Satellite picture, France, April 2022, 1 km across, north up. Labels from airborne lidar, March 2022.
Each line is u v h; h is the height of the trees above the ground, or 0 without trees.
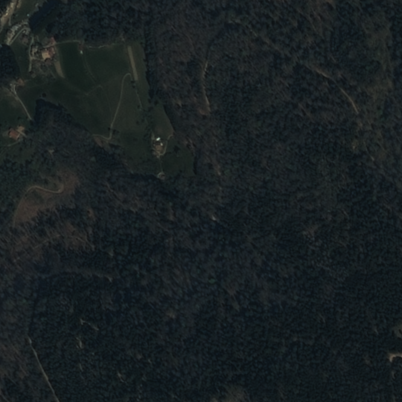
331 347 14
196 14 35
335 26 27
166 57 25
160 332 28
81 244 7
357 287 14
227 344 30
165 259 10
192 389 16
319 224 21
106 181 27
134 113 0
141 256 25
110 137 0
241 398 0
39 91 0
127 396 29
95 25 23
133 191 29
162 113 0
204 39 28
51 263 19
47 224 24
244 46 28
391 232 28
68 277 24
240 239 22
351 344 25
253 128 22
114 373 10
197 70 20
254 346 13
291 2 29
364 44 31
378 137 24
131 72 0
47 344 26
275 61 14
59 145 23
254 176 22
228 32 11
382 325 30
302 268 26
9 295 7
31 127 0
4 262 37
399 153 33
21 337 24
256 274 33
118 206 33
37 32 29
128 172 24
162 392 6
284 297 26
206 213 35
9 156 10
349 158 20
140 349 25
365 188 28
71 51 0
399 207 30
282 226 24
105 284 17
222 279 23
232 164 25
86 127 0
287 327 21
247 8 23
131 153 0
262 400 21
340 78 32
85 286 20
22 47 0
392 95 26
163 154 0
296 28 30
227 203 32
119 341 37
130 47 0
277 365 15
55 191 0
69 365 30
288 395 21
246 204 19
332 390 18
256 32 42
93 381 27
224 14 29
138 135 0
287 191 16
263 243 31
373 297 18
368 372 26
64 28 24
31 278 38
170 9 32
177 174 0
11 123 0
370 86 17
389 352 10
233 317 32
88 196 23
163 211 16
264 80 25
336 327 22
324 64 33
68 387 6
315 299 21
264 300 33
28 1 0
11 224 27
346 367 21
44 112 29
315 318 23
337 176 24
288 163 25
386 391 18
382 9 34
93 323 33
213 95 15
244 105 24
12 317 35
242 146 21
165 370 33
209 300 19
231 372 25
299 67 12
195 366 27
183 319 30
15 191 20
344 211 20
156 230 34
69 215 11
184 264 33
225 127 22
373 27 27
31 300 25
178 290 34
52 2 0
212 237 34
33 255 10
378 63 18
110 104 0
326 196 14
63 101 0
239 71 20
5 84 28
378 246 22
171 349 26
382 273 14
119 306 12
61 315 29
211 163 33
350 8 28
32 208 0
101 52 0
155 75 21
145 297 36
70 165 24
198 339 16
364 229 13
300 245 23
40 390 28
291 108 24
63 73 0
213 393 16
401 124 33
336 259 14
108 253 16
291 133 20
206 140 27
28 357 29
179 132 20
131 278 21
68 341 23
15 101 0
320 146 24
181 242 36
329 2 32
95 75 0
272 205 19
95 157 21
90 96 0
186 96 29
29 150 7
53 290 22
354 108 34
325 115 34
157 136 0
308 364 23
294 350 7
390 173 28
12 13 0
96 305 11
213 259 37
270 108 21
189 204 18
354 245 15
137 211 34
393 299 28
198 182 6
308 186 20
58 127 25
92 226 38
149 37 18
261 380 21
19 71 31
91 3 36
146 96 0
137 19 26
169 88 28
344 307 17
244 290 35
